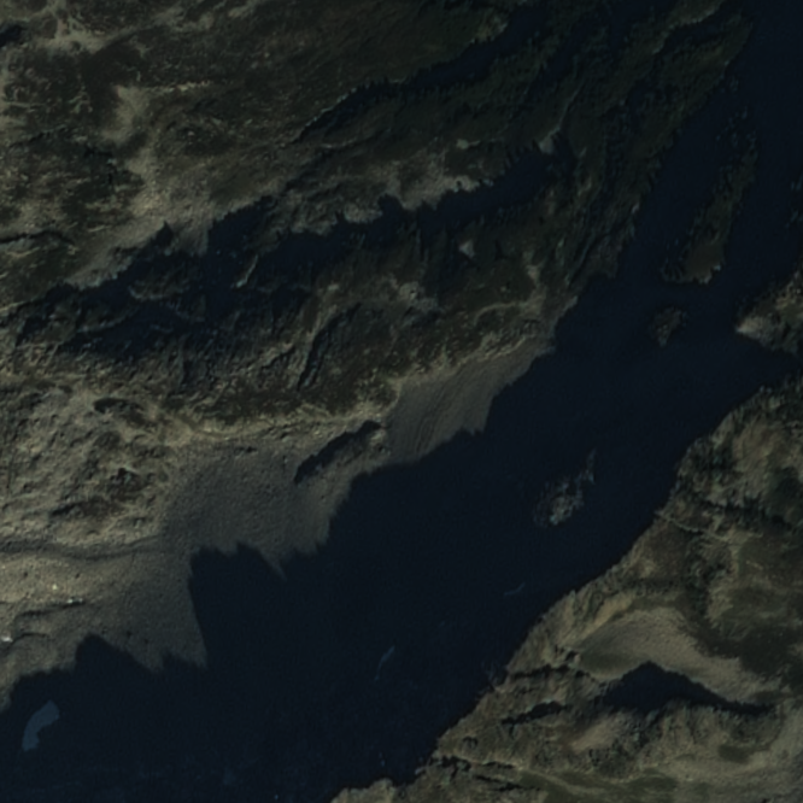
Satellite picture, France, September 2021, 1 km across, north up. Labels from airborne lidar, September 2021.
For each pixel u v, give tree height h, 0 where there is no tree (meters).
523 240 0
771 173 9
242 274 0
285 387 0
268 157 0
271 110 0
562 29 7
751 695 0
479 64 7
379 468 0
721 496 0
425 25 0
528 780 0
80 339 0
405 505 0
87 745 0
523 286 0
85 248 0
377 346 0
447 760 0
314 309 0
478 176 0
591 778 0
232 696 0
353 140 0
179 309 0
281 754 0
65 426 0
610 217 0
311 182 0
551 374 0
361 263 0
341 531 0
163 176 0
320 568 0
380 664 0
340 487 0
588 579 0
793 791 0
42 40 0
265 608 0
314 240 0
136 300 0
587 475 0
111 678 0
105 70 0
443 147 0
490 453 0
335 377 0
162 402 0
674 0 7
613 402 0
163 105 0
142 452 0
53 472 0
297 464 0
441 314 0
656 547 0
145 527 0
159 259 0
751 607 0
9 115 0
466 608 0
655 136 0
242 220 0
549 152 0
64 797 0
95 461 0
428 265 0
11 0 0
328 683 0
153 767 0
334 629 0
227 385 0
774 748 0
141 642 0
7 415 0
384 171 0
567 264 0
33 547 0
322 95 0
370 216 0
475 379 0
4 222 0
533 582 0
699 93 5
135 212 0
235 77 0
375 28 0
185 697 0
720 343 0
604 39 6
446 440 0
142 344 0
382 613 0
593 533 0
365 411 0
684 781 0
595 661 0
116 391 0
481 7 13
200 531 0
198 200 0
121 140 0
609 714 0
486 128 0
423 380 0
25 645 0
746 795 0
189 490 0
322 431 0
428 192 0
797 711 0
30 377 0
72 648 0
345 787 0
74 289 0
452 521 0
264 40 0
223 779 0
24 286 0
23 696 0
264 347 0
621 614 0
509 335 0
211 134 0
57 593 0
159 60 0
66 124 0
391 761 0
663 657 0
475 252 0
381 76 0
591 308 0
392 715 0
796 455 0
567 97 0
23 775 0
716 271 0
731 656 0
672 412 0
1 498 0
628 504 0
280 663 0
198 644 0
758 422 6
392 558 0
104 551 0
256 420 0
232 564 0
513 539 0
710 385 0
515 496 0
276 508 0
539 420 0
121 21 0
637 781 0
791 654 0
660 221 0
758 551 0
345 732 0
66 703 0
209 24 0
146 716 0
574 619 0
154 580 0
